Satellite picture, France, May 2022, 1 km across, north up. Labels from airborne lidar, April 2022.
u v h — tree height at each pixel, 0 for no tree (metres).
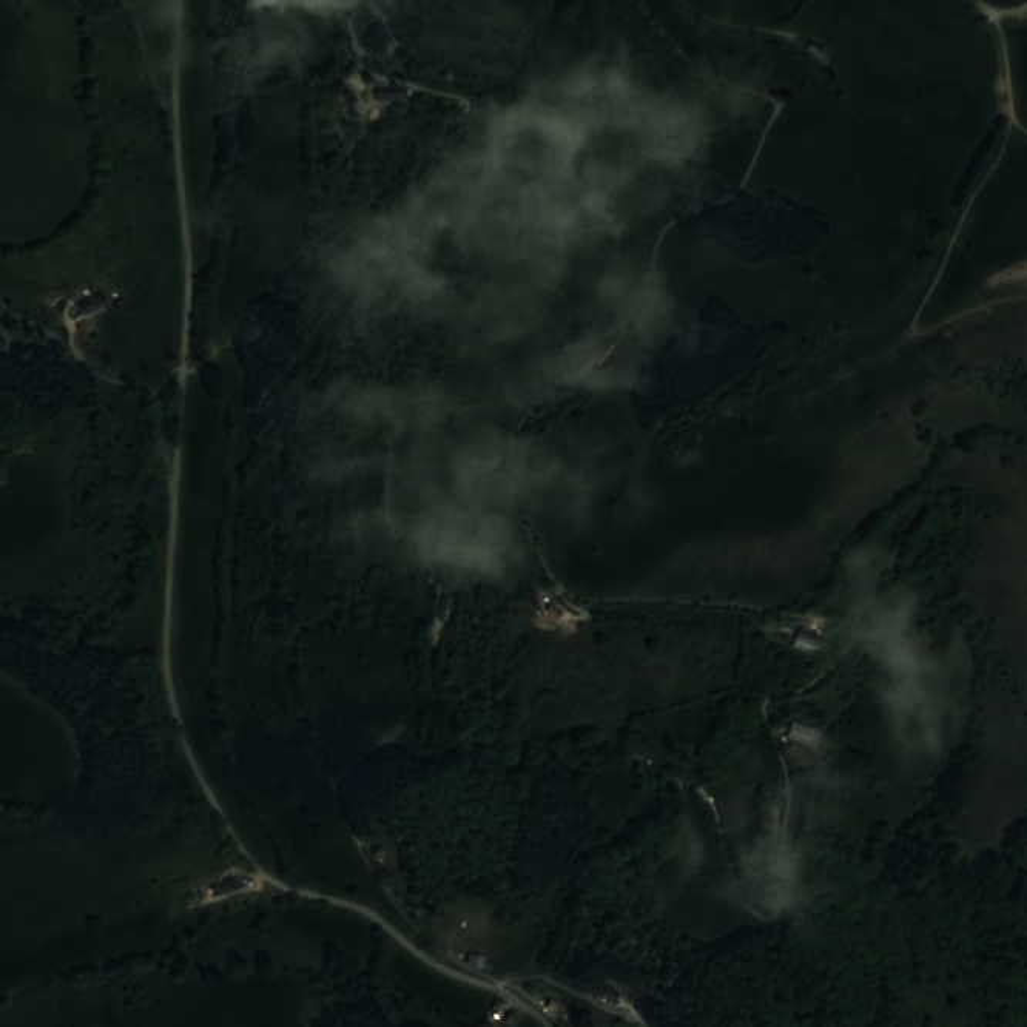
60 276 0
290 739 0
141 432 8
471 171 0
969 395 0
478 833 16
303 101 0
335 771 25
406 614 0
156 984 0
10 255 17
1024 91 0
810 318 0
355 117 9
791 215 22
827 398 0
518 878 21
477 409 0
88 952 0
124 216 0
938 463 18
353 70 10
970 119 0
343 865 0
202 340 14
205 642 0
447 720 0
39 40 0
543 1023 0
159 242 0
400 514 0
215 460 0
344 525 0
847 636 12
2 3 0
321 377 16
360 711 0
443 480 0
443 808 18
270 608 6
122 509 14
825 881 34
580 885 23
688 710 0
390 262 13
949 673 0
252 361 21
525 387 0
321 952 0
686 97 0
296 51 10
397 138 14
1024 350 0
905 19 0
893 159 0
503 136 0
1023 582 0
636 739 17
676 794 18
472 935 0
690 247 0
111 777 16
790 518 0
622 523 0
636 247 0
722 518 0
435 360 20
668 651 0
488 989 0
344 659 0
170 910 0
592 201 0
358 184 24
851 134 0
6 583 0
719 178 0
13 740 0
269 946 0
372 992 22
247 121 23
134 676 20
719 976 26
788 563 0
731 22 0
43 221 0
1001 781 0
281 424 20
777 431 0
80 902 0
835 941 36
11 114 0
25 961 0
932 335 0
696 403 16
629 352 0
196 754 0
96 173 11
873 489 0
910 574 16
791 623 0
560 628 0
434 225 0
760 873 0
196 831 9
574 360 13
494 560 0
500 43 0
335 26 11
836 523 0
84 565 0
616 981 27
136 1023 0
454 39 0
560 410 14
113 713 30
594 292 0
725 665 0
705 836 0
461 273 12
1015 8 0
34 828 25
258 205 0
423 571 10
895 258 0
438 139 16
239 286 0
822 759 15
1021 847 27
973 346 0
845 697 10
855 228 0
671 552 0
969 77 0
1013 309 0
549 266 0
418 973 0
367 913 0
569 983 24
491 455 0
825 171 0
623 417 0
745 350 24
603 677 0
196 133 0
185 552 0
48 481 0
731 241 25
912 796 0
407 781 28
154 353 0
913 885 21
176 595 0
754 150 0
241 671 0
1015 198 0
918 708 0
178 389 16
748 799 0
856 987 34
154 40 0
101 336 0
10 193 0
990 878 23
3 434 21
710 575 0
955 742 0
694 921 0
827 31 0
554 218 0
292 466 18
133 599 21
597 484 0
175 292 0
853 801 20
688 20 16
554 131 0
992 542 0
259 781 0
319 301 25
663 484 0
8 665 24
